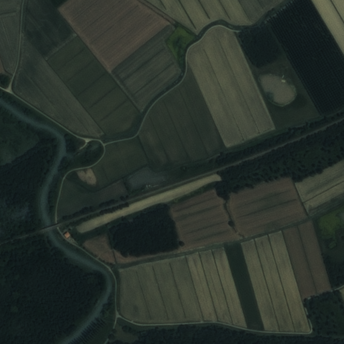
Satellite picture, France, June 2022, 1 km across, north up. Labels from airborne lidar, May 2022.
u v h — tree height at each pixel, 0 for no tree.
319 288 0
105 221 0
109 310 13
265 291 0
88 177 0
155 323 0
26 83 0
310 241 0
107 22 0
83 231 0
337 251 0
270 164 7
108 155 0
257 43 24
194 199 0
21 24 0
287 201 0
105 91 0
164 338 22
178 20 0
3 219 11
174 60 0
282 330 0
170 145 0
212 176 0
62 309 17
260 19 0
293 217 0
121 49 0
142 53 0
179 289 0
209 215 0
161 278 0
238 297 0
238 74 0
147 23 0
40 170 18
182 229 0
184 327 14
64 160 16
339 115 14
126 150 0
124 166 0
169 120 0
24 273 18
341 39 0
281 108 0
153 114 0
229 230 0
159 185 0
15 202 19
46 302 13
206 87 0
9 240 7
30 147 0
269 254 0
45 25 0
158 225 22
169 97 0
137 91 0
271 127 0
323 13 0
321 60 18
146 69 0
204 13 0
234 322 0
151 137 0
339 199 0
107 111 0
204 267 0
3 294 9
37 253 15
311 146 23
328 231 0
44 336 13
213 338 28
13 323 9
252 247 0
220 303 0
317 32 18
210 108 0
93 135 0
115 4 0
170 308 0
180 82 0
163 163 0
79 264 0
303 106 0
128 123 0
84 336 32
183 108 0
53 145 8
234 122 0
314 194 0
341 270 12
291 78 0
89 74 0
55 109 0
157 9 0
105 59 0
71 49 0
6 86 0
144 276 0
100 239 0
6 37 0
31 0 0
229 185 20
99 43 0
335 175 0
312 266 0
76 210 0
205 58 0
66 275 18
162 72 0
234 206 0
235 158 16
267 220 0
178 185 0
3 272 12
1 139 0
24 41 0
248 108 0
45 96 0
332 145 26
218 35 0
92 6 0
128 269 0
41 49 0
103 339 0
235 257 0
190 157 0
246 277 0
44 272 10
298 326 0
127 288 0
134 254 14
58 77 0
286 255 0
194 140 0
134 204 0
